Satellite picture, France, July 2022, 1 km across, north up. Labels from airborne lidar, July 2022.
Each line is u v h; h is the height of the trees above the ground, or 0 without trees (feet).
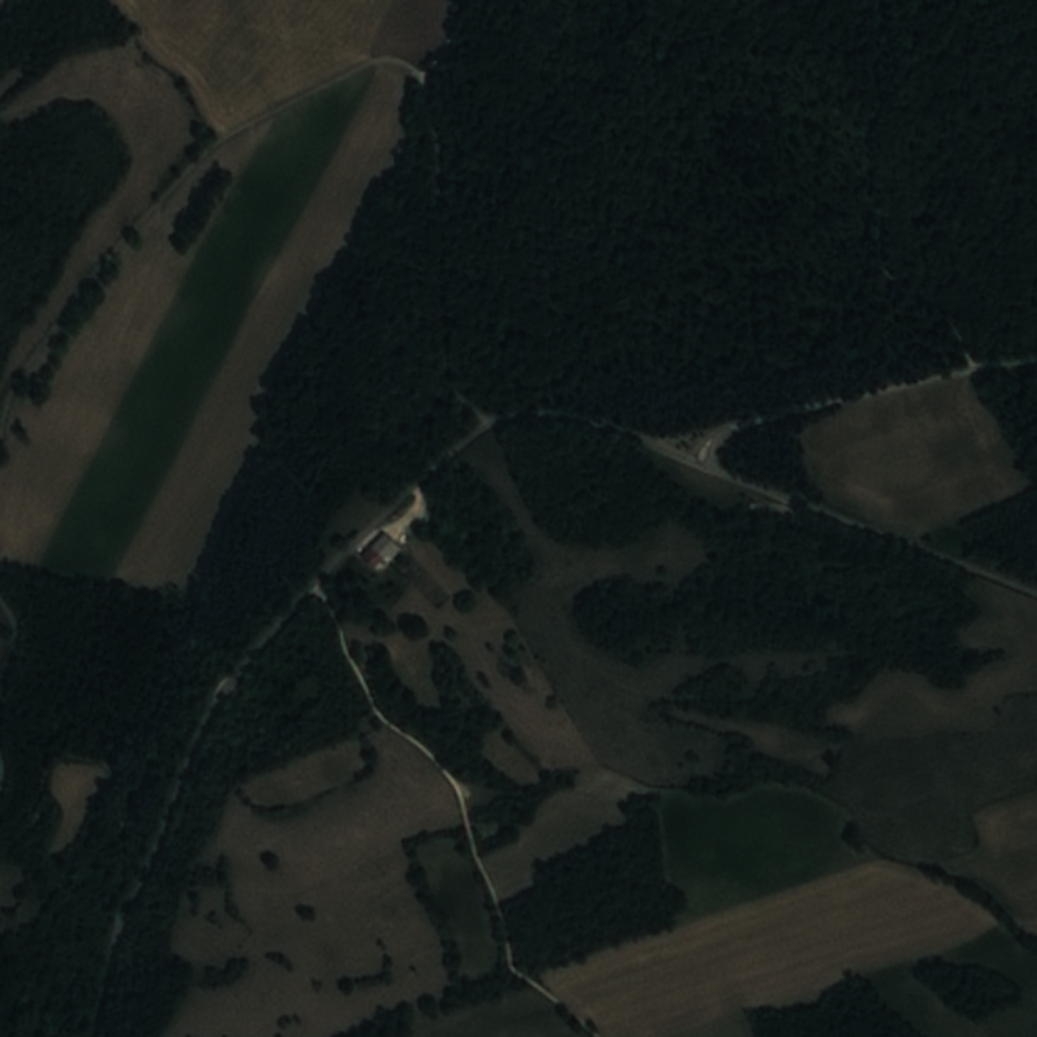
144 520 0
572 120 58
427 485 61
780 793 0
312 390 88
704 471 0
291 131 0
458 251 68
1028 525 33
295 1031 0
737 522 27
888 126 52
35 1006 86
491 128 58
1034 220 58
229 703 43
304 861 0
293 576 66
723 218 28
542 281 65
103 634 57
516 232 51
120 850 24
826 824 0
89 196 24
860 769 0
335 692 33
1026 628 0
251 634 36
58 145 25
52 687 47
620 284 61
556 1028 0
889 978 0
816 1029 27
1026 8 44
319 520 23
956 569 52
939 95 80
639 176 56
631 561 0
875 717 0
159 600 49
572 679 0
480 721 37
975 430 0
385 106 0
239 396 0
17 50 44
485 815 18
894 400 0
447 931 20
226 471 0
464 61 67
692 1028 0
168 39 0
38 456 0
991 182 65
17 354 0
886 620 34
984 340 49
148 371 0
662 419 73
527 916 43
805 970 0
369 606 71
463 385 58
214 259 0
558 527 51
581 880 26
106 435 0
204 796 38
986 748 0
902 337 72
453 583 0
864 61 43
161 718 70
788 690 26
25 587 56
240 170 0
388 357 52
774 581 38
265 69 0
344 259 63
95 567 0
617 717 0
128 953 40
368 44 0
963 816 0
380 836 0
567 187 62
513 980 39
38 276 41
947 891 0
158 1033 23
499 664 0
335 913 0
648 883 28
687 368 30
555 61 57
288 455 75
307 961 0
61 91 0
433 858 0
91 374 0
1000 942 0
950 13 67
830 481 0
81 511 0
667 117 60
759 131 64
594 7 54
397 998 0
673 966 0
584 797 0
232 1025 0
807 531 42
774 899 0
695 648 22
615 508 60
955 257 64
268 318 0
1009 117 61
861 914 0
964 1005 39
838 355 72
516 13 59
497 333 54
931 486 0
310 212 0
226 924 0
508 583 47
